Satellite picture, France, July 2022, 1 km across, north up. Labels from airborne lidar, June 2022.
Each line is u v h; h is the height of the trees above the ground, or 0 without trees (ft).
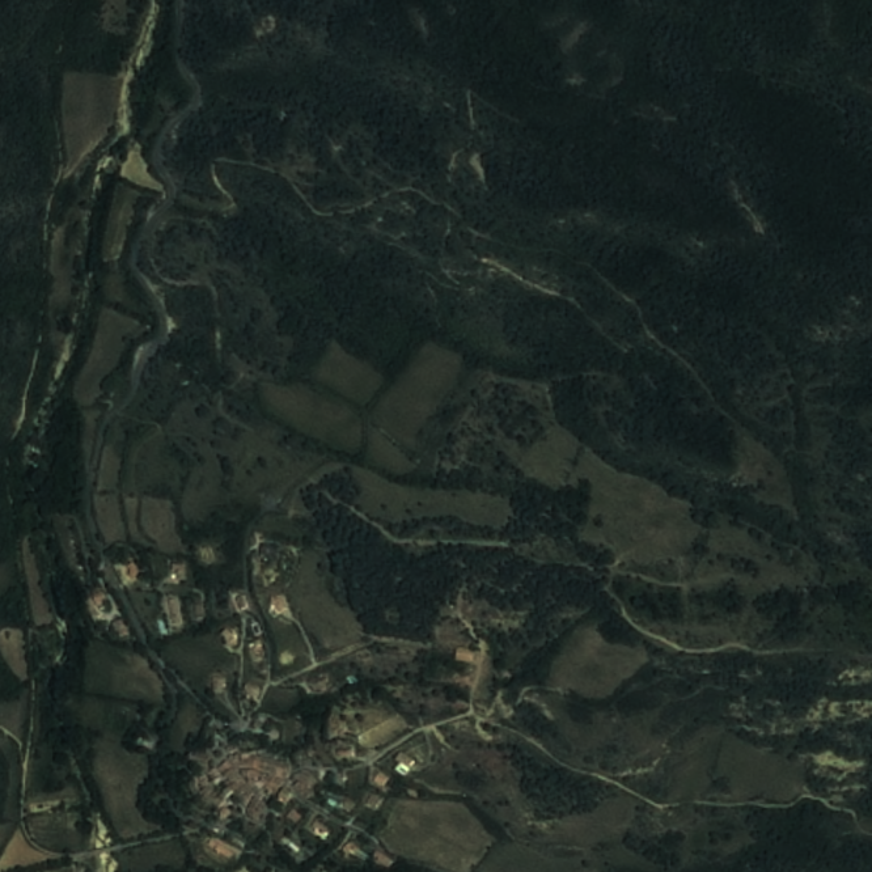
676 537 0
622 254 41
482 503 0
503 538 25
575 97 21
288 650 0
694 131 25
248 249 41
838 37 21
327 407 0
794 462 17
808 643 0
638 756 0
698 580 0
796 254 28
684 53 19
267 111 26
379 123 31
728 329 40
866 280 24
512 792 0
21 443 53
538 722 21
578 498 26
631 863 0
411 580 37
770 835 44
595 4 27
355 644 0
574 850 0
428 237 31
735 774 0
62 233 0
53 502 27
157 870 35
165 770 47
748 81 22
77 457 28
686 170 35
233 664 0
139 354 0
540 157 24
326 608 0
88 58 19
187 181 21
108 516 0
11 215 31
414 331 28
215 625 21
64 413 46
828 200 25
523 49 22
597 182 27
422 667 26
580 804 23
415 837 0
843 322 22
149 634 19
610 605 25
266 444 0
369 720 0
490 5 31
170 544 0
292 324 34
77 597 37
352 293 27
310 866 39
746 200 26
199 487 0
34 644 28
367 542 36
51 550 47
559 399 20
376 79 27
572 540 32
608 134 21
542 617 33
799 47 21
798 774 0
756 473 0
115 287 0
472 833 0
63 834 0
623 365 21
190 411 0
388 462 0
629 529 0
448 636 0
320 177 26
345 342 35
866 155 28
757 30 25
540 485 29
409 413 0
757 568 25
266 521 0
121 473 22
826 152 34
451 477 36
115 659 0
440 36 23
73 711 44
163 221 0
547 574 31
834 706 0
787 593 26
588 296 28
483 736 0
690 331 26
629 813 0
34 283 20
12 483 23
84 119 0
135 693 0
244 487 0
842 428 28
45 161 30
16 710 0
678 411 22
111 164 0
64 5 18
